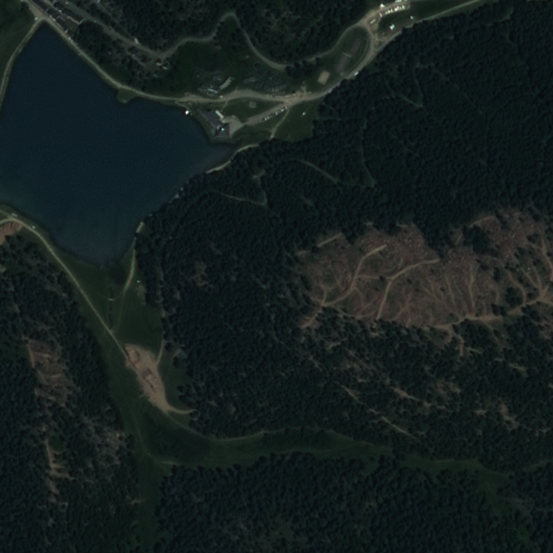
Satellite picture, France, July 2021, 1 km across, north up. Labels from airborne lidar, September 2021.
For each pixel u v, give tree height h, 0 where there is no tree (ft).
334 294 0
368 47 0
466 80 67
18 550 55
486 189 79
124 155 0
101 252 0
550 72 76
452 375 60
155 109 0
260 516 65
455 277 0
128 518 61
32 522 54
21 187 0
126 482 64
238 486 63
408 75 64
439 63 64
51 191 0
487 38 76
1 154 0
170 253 67
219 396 80
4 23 0
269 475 77
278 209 58
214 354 68
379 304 0
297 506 75
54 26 0
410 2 0
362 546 55
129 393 0
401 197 69
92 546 57
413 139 64
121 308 0
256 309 79
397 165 77
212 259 61
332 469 70
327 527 52
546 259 0
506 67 84
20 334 83
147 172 0
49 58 0
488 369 65
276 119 0
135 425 0
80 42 62
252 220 78
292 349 42
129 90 0
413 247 0
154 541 0
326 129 61
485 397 80
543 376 65
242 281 58
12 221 0
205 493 61
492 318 0
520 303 48
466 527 82
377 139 63
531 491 58
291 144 84
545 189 63
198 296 65
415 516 75
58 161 0
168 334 44
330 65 0
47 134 0
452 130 48
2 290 74
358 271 0
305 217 72
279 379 64
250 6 24
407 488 47
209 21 31
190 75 0
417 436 44
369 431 58
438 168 58
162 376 0
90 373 49
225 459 0
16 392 66
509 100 70
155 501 0
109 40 36
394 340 59
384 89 72
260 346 63
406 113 80
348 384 42
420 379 38
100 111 0
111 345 0
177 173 0
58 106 0
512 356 75
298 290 69
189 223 74
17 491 68
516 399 76
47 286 72
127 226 0
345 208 76
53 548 44
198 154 0
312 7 32
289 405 56
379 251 0
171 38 56
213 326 51
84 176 0
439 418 73
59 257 0
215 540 38
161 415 0
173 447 26
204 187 58
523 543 41
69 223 0
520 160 68
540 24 76
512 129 64
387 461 67
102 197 0
